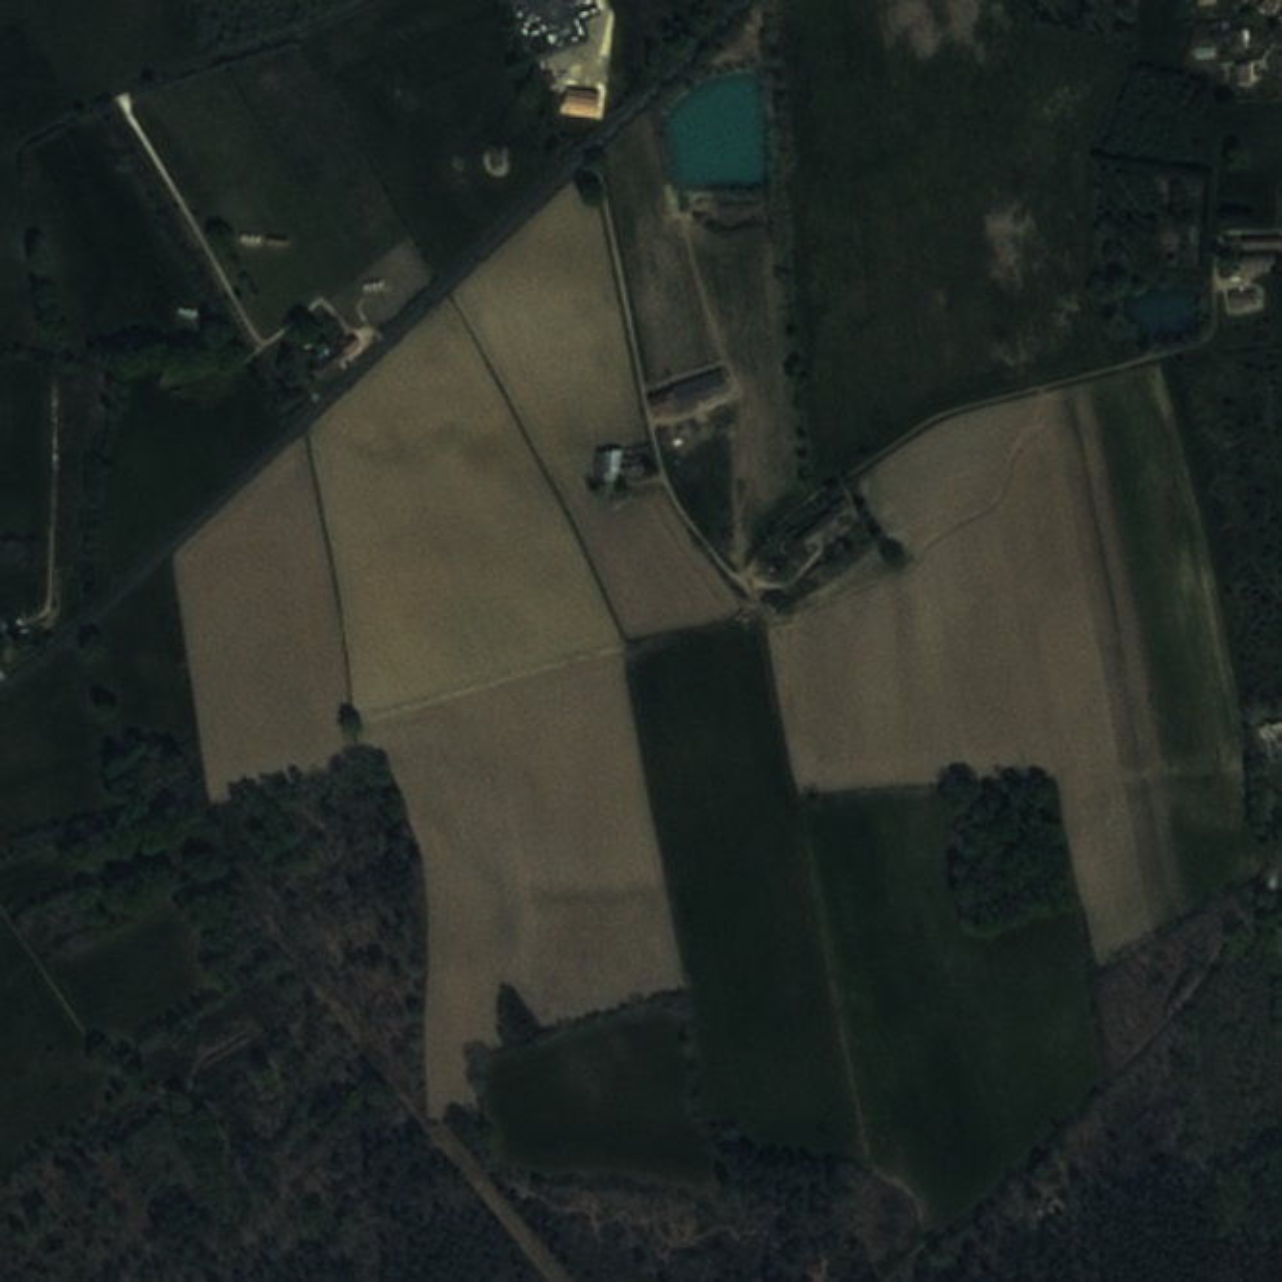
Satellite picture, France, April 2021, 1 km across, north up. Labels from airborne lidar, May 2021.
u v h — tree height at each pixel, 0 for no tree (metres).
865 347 0
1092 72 0
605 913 0
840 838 0
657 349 0
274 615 0
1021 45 0
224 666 0
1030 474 0
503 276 0
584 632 0
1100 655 0
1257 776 16
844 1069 0
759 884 0
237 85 0
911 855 0
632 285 0
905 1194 0
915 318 0
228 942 19
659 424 0
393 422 0
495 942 0
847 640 0
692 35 17
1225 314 0
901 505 0
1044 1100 0
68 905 10
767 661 0
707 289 0
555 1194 10
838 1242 20
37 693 0
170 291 0
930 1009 0
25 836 10
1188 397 0
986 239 0
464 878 0
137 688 0
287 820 17
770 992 0
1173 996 14
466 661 0
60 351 18
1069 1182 11
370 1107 11
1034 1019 0
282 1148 13
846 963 0
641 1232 8
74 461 0
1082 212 0
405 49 0
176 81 6
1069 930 0
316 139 0
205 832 11
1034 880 17
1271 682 7
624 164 0
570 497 0
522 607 0
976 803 19
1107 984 13
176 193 0
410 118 0
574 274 0
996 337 0
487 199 0
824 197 0
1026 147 0
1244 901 14
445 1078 0
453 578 0
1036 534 0
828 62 0
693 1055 12
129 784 23
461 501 0
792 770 0
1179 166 8
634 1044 0
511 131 0
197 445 0
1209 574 0
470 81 0
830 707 0
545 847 0
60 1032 0
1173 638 0
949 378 0
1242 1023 8
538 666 0
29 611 0
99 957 0
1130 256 8
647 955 0
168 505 0
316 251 0
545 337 0
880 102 0
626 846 0
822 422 0
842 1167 14
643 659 0
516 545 0
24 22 0
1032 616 0
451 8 0
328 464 0
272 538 0
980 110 0
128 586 0
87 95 0
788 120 13
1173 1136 11
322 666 0
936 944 0
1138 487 0
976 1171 0
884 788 0
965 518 0
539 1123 0
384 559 0
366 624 0
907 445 0
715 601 0
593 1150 0
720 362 0
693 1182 0
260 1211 24
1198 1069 20
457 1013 0
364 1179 7
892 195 0
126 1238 18
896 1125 0
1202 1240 23
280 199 0
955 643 0
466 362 0
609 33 0
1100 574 0
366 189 0
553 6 0
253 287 6
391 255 0
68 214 0
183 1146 18
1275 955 17
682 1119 0
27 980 0
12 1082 0
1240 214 11
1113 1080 11
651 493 0
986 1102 0
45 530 0
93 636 12
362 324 0
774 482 0
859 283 0
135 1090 15
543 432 0
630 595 0
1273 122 0
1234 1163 14
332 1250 21
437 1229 11
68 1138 13
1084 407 0
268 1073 24
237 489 0
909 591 0
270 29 7
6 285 0
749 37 0
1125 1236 24
